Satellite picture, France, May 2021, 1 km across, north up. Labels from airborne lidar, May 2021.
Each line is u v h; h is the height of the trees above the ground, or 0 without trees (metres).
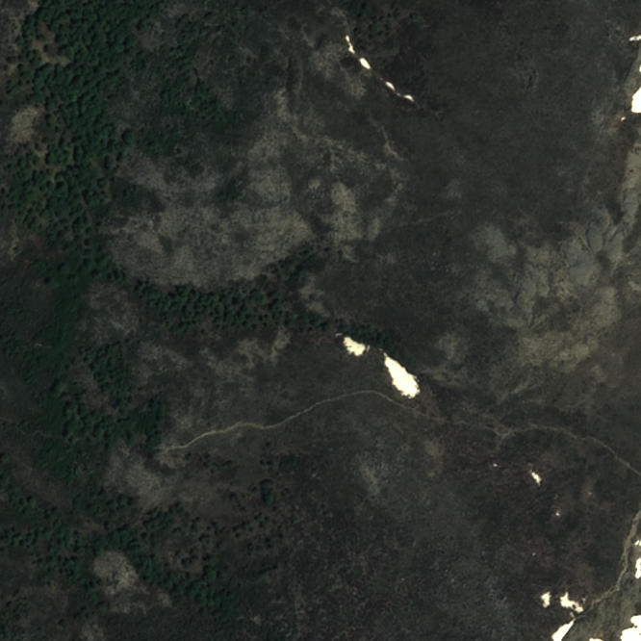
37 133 0
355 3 6
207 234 0
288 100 0
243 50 0
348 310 0
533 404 0
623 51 0
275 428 0
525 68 0
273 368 0
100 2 15
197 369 0
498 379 0
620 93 0
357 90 0
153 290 18
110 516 9
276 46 0
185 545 0
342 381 0
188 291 15
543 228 0
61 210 20
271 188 0
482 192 0
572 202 0
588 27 0
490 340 0
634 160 0
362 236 0
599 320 0
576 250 0
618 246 0
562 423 0
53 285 19
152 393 0
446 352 0
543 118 0
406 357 0
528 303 0
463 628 0
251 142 0
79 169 21
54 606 0
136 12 16
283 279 12
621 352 0
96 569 0
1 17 0
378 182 0
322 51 0
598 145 0
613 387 0
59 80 18
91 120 15
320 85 0
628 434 0
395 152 0
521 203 0
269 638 8
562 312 0
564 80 0
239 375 0
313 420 0
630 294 0
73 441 17
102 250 14
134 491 0
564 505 0
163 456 0
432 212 0
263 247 0
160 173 0
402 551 0
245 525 10
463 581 0
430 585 0
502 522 0
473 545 0
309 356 0
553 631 0
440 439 0
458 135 0
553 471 0
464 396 0
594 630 0
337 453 0
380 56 0
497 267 0
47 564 11
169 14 0
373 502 0
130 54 13
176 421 0
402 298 0
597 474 0
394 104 0
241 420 0
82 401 16
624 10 0
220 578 15
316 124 0
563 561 0
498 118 0
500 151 0
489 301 0
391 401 0
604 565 0
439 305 0
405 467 0
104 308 0
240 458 0
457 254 0
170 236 0
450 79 0
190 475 0
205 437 0
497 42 0
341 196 0
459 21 0
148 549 0
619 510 0
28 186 17
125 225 0
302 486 0
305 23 0
